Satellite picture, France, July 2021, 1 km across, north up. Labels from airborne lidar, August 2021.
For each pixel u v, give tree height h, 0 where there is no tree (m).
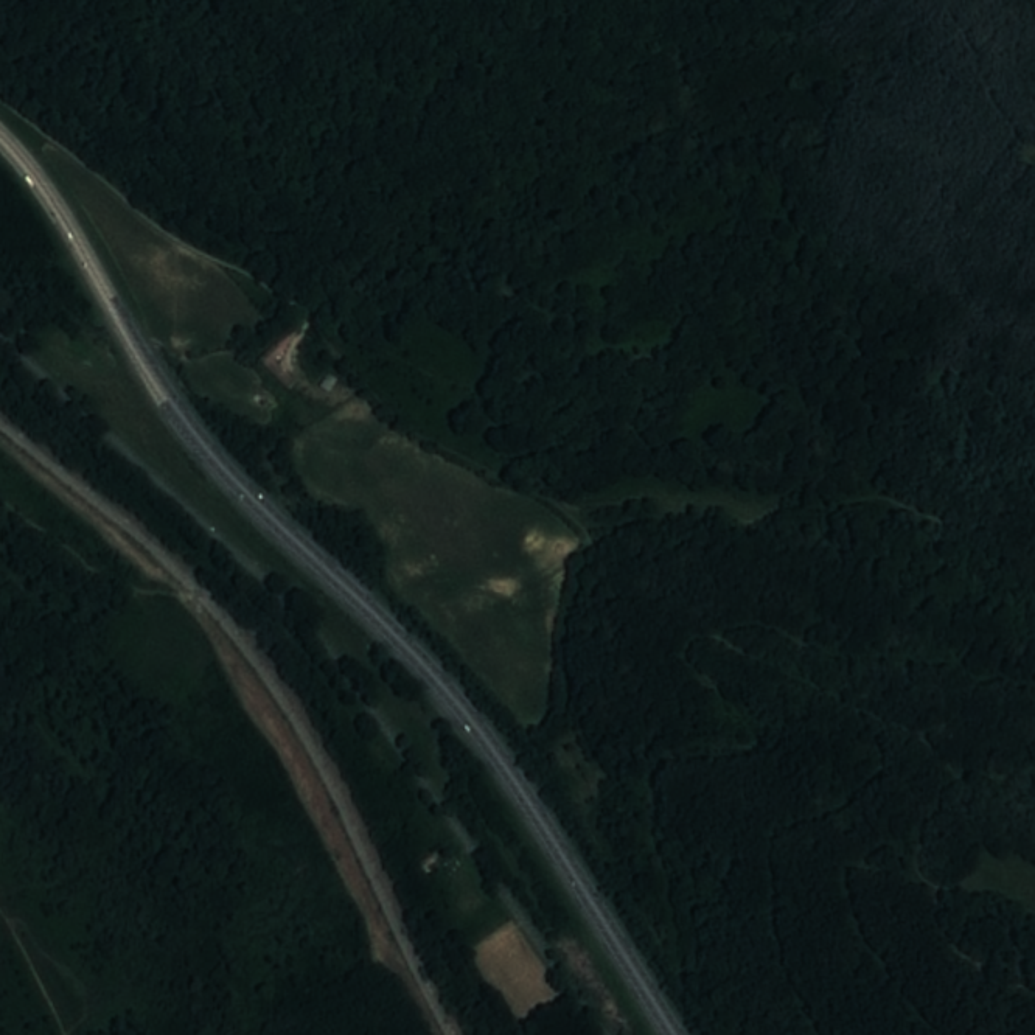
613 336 20
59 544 16
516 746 10
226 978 8
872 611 25
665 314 7
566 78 25
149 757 14
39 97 28
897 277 23
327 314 14
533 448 27
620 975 0
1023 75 21
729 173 14
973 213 20
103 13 28
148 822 6
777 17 23
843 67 15
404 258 33
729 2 17
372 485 0
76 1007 0
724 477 28
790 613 17
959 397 23
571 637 14
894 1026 24
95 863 6
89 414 14
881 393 24
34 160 0
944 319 22
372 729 20
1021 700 19
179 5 24
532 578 0
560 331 24
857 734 21
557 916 11
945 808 15
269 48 21
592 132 23
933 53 21
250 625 23
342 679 19
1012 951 23
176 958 8
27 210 12
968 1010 20
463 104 24
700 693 18
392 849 14
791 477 29
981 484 24
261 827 7
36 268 10
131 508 15
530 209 16
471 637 0
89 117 21
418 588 0
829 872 19
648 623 18
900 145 23
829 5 16
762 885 20
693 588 19
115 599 20
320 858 8
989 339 25
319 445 0
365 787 10
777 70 14
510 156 16
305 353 6
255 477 14
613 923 0
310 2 16
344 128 14
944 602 10
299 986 24
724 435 29
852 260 20
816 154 20
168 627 0
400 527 0
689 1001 19
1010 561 22
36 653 29
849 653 19
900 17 18
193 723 6
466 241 25
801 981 18
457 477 0
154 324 0
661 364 27
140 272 0
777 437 29
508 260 19
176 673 0
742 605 14
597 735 14
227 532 0
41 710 5
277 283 23
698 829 19
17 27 21
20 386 20
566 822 16
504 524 0
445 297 26
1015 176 16
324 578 0
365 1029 22
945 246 18
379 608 0
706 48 26
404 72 21
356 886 0
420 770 18
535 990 0
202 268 0
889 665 21
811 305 13
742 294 21
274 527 0
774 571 20
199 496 0
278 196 20
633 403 32
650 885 25
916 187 22
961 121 21
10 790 15
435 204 19
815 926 21
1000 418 23
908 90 20
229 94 23
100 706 7
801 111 13
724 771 15
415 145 25
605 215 16
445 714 0
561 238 9
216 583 25
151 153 25
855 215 21
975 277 21
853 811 10
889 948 12
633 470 32
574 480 30
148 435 0
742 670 20
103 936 7
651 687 23
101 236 0
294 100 6
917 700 21
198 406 11
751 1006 23
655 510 15
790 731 18
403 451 0
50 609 22
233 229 28
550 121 33
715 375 20
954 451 27
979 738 22
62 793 18
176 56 16
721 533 31
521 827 0
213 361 0
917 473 23
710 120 19
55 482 0
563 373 27
